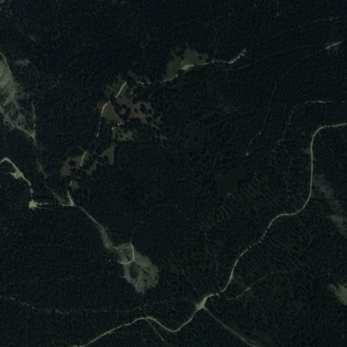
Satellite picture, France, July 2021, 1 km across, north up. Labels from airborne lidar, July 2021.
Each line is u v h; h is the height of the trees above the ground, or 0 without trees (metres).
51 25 23
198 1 17
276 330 20
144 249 17
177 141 15
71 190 21
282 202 20
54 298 19
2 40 12
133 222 15
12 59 13
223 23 23
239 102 20
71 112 11
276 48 18
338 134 9
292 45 21
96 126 18
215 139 22
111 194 15
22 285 15
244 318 17
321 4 16
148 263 0
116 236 10
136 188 21
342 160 18
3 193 17
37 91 12
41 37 12
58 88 15
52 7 16
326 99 16
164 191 12
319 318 27
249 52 13
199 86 12
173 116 12
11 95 0
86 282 17
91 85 25
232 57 8
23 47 21
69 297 19
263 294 17
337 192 10
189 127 8
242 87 13
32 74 8
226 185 0
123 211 14
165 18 14
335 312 21
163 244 18
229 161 20
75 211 22
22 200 13
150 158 13
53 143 18
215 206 22
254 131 17
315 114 15
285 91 22
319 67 20
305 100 16
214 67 18
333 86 21
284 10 20
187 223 21
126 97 0
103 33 13
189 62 0
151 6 26
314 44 21
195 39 17
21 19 11
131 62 22
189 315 9
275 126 13
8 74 0
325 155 22
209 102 19
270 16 9
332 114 22
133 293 14
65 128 12
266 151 18
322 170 8
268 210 7
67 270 18
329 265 20
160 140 25
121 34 18
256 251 24
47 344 17
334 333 17
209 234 10
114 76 9
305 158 24
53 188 14
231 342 20
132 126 21
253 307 18
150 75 12
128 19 14
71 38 23
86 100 22
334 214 8
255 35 17
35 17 17
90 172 0
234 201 17
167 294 11
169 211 14
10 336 15
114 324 13
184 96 14
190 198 20
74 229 24
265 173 11
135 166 18
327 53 16
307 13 17
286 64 16
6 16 10
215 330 19
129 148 17
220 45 17
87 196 25
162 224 10
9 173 13
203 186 21
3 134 7
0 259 10
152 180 6
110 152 0
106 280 20
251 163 20
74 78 20
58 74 17
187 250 10
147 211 17
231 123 25
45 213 19
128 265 0
